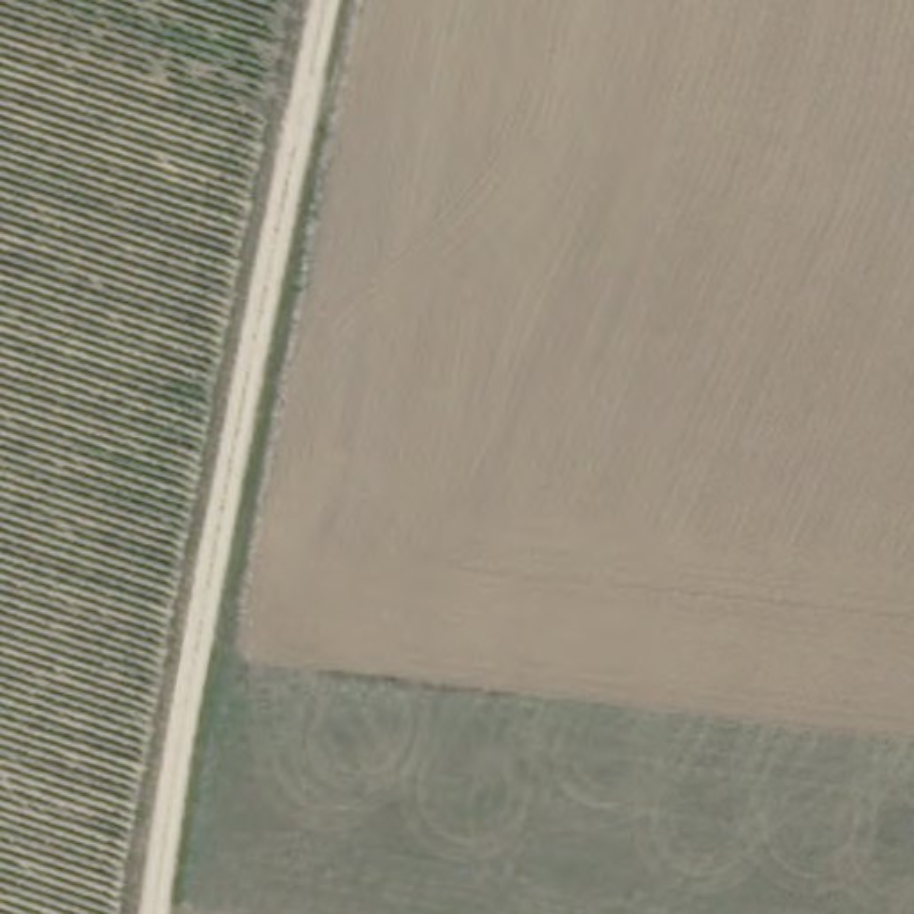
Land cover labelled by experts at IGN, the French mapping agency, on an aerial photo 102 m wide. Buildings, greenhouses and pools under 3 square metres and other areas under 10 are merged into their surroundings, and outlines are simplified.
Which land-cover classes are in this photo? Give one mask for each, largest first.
<instances>
[{"label":"plowed land","instance_id":"1","mask_svg":"<svg viewBox=\"0 0 914 914\"><path fill-rule=\"evenodd\" d=\"M325 204L318 207V250L311 271L303 275L307 293L296 296L293 311V332L271 418V439L264 453V478L257 493L250 564L239 593L236 643L239 657L250 664L403 675L425 682L511 689L528 696L768 721L775 728L882 735L896 743H907L914 735V0H353L339 82V125L328 129L321 157Z\"/></svg>","mask_w":914,"mask_h":914},{"label":"vineyard","instance_id":"2","mask_svg":"<svg viewBox=\"0 0 914 914\"><path fill-rule=\"evenodd\" d=\"M307 0H0V914H139L150 818L157 800L175 671L182 653V628L193 593V568L218 464V443L261 225L268 211L278 132L293 93Z\"/></svg>","mask_w":914,"mask_h":914},{"label":"agricultural land","instance_id":"3","mask_svg":"<svg viewBox=\"0 0 914 914\"><path fill-rule=\"evenodd\" d=\"M239 700H246L243 725L253 746V771H225L218 778V793L196 800V807L214 818V832L200 846V868L211 875L214 900L221 903V910H200L193 903L171 900L168 914H914V735L907 743H896L882 735L775 728L768 721L528 696L511 689L425 682L403 675L250 664V686L239 689Z\"/></svg>","mask_w":914,"mask_h":914},{"label":"pervious surface","instance_id":"4","mask_svg":"<svg viewBox=\"0 0 914 914\"><path fill-rule=\"evenodd\" d=\"M339 0H307L293 93L278 132L268 211L261 225L218 443V464L193 568V593L182 628V653L175 671L157 800L150 818L139 914H168L171 900L193 735Z\"/></svg>","mask_w":914,"mask_h":914},{"label":"herbaceous vegetation","instance_id":"5","mask_svg":"<svg viewBox=\"0 0 914 914\"><path fill-rule=\"evenodd\" d=\"M353 0H339L193 735L171 900L193 903L200 910H221V903L214 900L211 875L200 868V846L214 832V818L196 807V800L218 793V778L225 771H253V746L243 725L246 700H239V689L250 686V664L239 657L236 643L239 593L250 564L257 493L264 478V453L271 439V418L293 332V311L296 296L307 293L303 275L311 271L318 250V207L325 204L321 157L328 129L339 125V82Z\"/></svg>","mask_w":914,"mask_h":914}]
</instances>
